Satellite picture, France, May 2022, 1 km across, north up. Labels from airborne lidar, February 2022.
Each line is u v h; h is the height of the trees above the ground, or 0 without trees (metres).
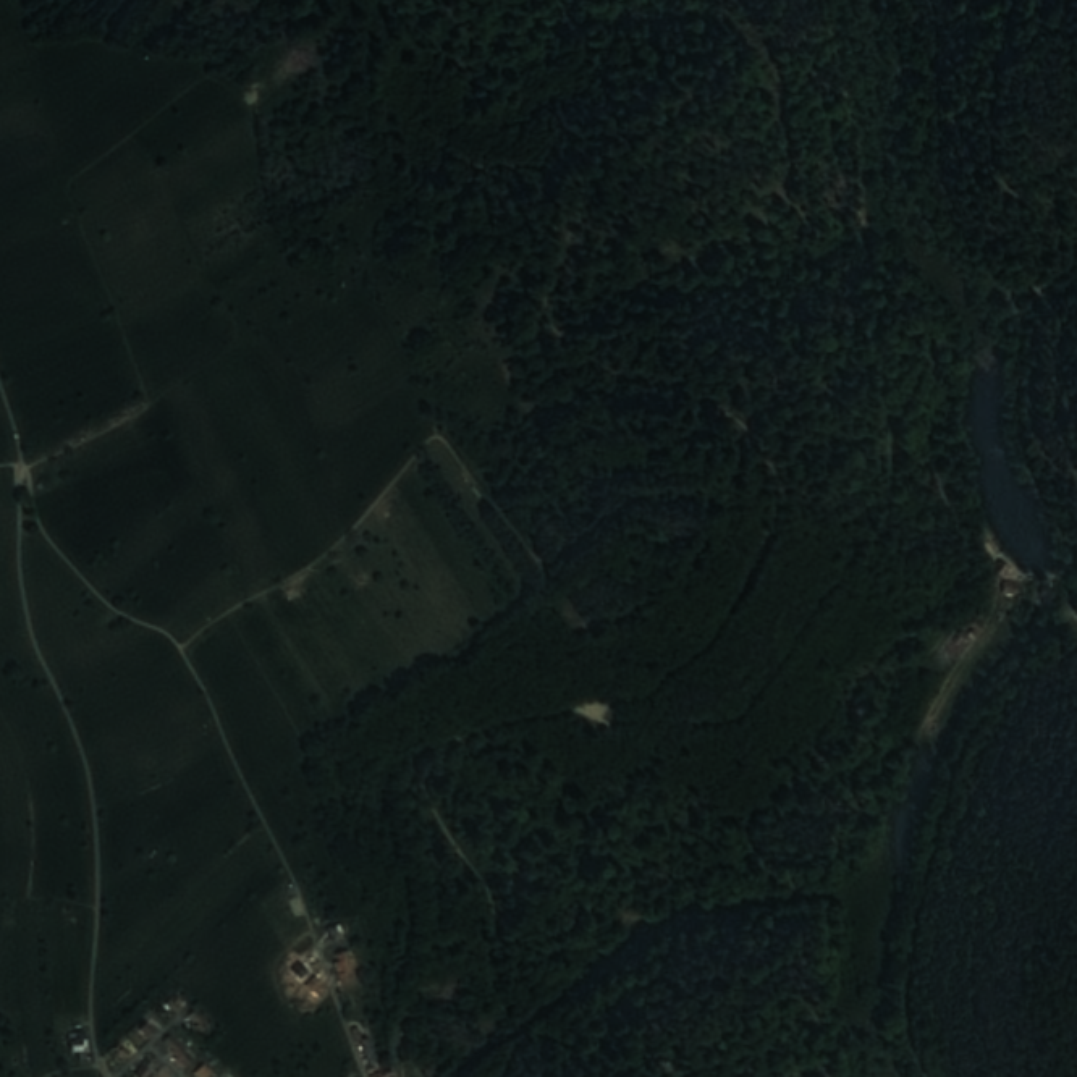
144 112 0
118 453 0
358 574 0
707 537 20
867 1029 0
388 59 11
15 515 0
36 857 0
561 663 16
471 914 11
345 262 0
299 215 15
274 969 0
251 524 0
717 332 36
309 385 8
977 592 21
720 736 13
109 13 20
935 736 0
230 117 0
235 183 0
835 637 11
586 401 26
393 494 0
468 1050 15
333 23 8
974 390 0
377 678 0
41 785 0
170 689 0
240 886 0
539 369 29
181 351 0
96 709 0
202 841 0
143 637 0
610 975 27
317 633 0
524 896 35
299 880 0
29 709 0
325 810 15
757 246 40
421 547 0
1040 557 0
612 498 21
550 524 22
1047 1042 19
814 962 36
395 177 27
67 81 0
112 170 0
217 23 12
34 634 0
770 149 28
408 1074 0
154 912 0
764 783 14
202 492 0
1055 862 23
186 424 0
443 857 38
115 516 0
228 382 0
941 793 19
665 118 30
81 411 0
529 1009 24
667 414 38
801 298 7
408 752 15
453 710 17
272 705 0
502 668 16
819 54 32
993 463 0
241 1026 0
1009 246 18
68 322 0
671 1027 34
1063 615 22
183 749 0
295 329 0
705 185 28
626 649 18
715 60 36
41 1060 0
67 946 0
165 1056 0
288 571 0
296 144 12
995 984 19
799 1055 35
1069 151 13
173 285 0
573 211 30
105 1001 0
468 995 22
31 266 0
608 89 37
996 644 0
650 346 25
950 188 11
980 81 38
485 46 29
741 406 35
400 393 0
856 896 0
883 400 34
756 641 15
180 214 0
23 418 0
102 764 0
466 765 17
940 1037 17
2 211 0
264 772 0
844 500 14
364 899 8
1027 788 24
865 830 32
